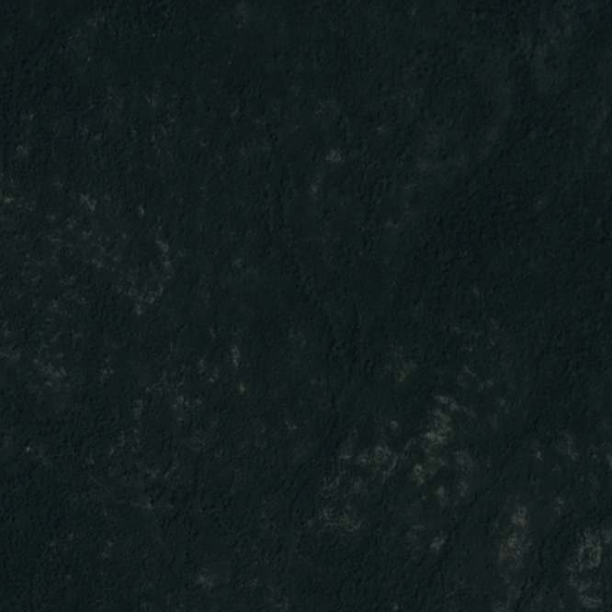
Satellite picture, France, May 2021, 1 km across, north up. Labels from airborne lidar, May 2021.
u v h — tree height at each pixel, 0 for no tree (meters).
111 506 6
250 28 6
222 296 9
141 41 8
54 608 8
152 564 8
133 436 11
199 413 9
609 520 10
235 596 10
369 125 6
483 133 8
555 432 9
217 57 7
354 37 7
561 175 8
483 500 11
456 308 14
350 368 8
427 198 6
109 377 5
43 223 10
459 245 12
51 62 8
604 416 7
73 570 8
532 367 6
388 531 10
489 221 10
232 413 13
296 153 9
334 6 11
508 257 7
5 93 14
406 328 11
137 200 10
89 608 6
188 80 6
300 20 7
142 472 11
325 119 7
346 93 9
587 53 6
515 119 13
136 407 6
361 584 16
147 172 9
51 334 6
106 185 12
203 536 13
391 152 6
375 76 8
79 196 8
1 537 7
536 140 6
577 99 6
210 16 8
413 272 14
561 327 12
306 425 9
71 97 12
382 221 6
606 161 11
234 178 8
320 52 9
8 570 12
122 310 8
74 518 7
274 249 10
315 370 6
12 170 10
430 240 19
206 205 6
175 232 10
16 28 7
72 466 7
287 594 12
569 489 6
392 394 7
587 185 12
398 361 6
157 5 20
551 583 13
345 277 6
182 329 10
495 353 8
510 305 7
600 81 6
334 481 7
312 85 6
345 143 6
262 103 9
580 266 10
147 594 7
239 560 7
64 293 9
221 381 11
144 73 8
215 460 11
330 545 12
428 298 7
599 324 20
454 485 7
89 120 12
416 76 6
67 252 8
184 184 5
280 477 13
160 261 11
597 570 11
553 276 8
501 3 8
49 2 7
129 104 9
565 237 10
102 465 12
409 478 7
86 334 5
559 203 9
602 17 6
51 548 10
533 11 10
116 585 15
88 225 11
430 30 9
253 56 6
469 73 9
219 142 6
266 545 9
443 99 9
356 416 5
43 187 6
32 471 11
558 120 9
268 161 6
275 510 8
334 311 6
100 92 10
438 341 10
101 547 11
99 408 8
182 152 8
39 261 6
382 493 7
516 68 10
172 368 10
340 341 17
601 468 6
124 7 11
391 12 8
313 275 7
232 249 6
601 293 13
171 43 6
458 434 6
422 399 8
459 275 16
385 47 7
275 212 5
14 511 12
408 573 10
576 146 9
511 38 9
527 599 14
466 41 6
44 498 10
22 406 10
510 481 6
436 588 13
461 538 15
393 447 7
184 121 8
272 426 6
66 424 12
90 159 9
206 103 8
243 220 6
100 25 9
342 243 10
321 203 8
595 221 18
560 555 12
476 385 7
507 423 7
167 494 19
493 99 6
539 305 9
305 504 14
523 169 10
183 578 13
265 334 11
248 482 11
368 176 8
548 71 7
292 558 9
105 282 8
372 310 7
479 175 17
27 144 6
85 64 8
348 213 7
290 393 6
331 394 8
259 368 11
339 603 9
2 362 11
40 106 15
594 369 9
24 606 7
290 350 7
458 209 11
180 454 8
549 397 19
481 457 13
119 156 14
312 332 6
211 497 16
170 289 8
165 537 9
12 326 9
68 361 7
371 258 10
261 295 8
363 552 10
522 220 8
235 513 11
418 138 6
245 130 8
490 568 10
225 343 12
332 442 12
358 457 10
